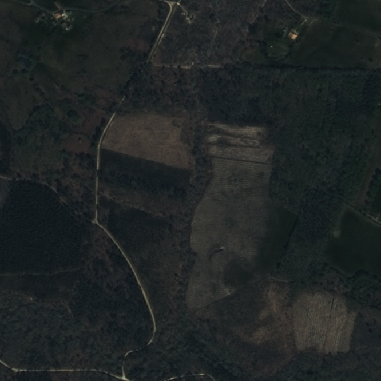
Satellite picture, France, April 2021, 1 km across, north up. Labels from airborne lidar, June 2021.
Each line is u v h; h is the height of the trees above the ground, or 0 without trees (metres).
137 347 11
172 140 0
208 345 21
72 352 19
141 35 0
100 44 0
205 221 0
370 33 0
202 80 8
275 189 16
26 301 11
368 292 9
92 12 0
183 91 17
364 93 14
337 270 12
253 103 21
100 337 10
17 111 0
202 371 11
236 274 0
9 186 15
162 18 13
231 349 13
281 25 9
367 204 14
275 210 0
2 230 18
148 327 8
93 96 0
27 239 18
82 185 13
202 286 0
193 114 20
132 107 16
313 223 18
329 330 0
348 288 19
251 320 0
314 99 14
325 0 19
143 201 0
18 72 14
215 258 0
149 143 0
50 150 16
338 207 17
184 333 21
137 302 11
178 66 0
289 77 11
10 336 20
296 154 21
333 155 14
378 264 0
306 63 0
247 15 9
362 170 18
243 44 16
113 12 0
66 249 16
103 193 16
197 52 7
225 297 0
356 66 0
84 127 0
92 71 0
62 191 11
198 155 16
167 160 0
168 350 15
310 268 14
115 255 14
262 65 7
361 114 18
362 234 0
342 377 17
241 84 17
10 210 15
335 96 18
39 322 19
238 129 0
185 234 10
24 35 0
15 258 16
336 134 12
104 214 7
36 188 19
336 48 0
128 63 0
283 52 0
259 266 0
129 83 13
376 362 19
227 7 7
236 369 19
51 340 19
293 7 10
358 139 18
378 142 0
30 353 18
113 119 0
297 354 7
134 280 21
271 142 11
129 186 22
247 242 0
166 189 21
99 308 22
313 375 15
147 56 15
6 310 11
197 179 6
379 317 12
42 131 12
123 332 19
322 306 0
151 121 0
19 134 9
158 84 9
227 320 0
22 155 15
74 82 0
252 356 9
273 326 0
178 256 0
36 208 16
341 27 0
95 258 8
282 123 11
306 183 15
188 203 17
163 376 12
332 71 18
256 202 0
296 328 0
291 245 13
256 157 0
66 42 0
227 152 0
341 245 0
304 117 19
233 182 0
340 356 15
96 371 14
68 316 11
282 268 15
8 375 15
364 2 0
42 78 0
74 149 0
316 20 0
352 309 15
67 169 20
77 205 15
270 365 9
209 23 10
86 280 22
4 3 0
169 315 10
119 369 12
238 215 0
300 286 25
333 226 17
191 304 0
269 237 0
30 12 0
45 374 17
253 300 0
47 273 14
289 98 13
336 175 15
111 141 0
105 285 9
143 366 7
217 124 0
